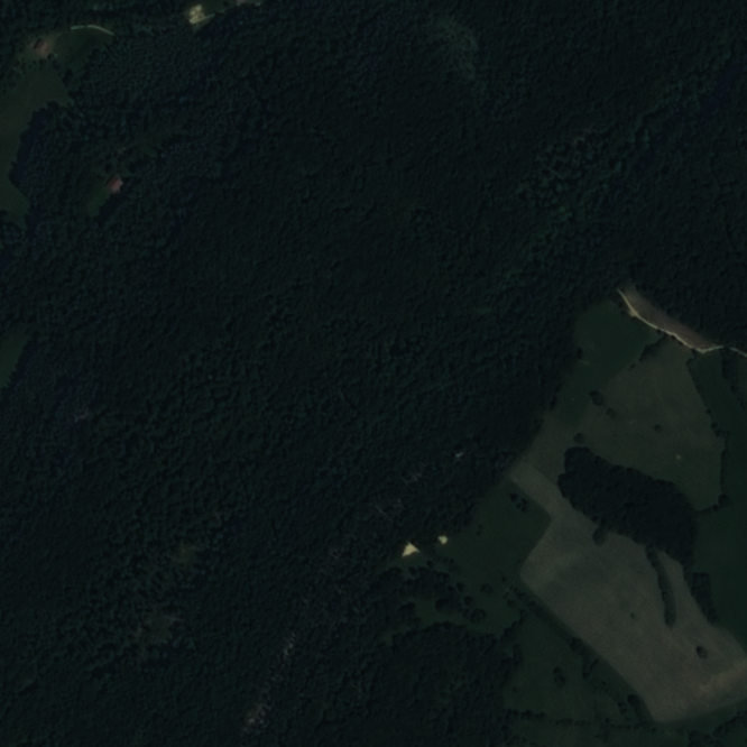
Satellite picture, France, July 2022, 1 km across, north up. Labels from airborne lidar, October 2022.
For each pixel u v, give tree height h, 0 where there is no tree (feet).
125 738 87
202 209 126
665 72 79
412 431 82
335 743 65
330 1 89
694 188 61
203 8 0
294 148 117
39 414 60
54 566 103
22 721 82
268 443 71
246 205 114
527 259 105
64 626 67
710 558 0
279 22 98
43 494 74
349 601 62
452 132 71
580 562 0
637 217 64
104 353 123
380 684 71
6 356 0
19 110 0
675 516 87
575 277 80
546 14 95
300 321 93
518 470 0
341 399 96
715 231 65
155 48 85
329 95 120
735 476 0
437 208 96
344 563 66
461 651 48
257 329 81
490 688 39
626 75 98
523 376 75
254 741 77
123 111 97
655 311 0
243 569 80
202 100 113
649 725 20
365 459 75
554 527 0
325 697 78
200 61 81
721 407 0
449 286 81
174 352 103
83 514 109
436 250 48
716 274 73
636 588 0
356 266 91
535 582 0
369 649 70
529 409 92
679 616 0
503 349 90
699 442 0
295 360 78
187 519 67
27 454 98
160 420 49
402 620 63
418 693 68
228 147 118
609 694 19
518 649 28
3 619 86
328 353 66
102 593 98
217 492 85
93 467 103
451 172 79
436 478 70
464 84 79
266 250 93
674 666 0
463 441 58
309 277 87
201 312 104
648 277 88
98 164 59
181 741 64
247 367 77
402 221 92
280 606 101
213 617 96
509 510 0
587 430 0
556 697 0
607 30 79
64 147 121
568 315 58
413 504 76
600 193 72
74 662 90
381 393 86
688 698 0
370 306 90
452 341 113
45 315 96
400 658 74
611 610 0
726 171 78
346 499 95
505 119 74
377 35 89
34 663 60
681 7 103
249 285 73
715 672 0
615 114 71
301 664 69
